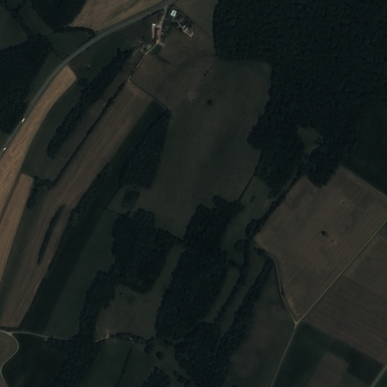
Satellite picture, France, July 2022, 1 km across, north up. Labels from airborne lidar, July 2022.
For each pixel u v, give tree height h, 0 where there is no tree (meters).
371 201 0
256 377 0
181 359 24
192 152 0
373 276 0
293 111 24
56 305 0
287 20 23
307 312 0
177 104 0
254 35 24
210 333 21
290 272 0
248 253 15
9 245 0
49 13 9
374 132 0
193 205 0
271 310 0
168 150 0
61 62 0
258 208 0
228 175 0
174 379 0
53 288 0
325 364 0
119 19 0
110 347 0
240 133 0
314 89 23
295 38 19
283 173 25
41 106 0
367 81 21
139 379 0
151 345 15
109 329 0
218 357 13
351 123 18
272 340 0
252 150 0
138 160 22
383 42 26
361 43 24
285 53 19
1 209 0
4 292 0
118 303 0
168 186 0
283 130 24
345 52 24
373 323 0
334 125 26
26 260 0
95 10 0
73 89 0
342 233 0
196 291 21
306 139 0
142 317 0
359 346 0
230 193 0
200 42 0
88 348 24
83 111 10
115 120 0
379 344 0
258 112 0
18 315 0
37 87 0
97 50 0
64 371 19
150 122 0
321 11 23
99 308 15
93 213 0
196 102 0
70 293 0
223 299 0
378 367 0
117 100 0
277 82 18
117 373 0
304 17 19
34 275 0
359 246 0
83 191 0
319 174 22
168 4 0
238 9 24
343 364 0
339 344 0
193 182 0
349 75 19
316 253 0
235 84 0
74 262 0
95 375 0
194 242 12
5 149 0
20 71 19
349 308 0
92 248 0
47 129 0
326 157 24
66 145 0
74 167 0
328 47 18
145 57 0
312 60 24
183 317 24
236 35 26
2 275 0
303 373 0
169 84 0
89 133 9
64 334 0
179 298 23
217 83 0
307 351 0
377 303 0
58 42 0
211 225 25
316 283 0
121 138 0
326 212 0
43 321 0
